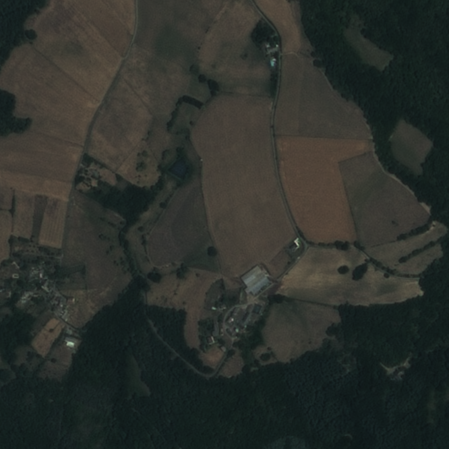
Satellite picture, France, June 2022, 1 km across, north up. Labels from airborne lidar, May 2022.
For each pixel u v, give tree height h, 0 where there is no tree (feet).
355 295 0
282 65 0
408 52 69
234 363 0
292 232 0
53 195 0
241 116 0
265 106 0
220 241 0
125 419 64
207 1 0
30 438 54
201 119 0
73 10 0
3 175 0
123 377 59
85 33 0
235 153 0
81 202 0
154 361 35
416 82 41
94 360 53
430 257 0
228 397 37
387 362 27
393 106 45
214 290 0
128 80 0
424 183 39
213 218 0
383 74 43
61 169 0
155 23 0
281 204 0
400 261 33
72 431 36
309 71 0
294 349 0
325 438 77
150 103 0
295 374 71
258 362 36
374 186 0
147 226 0
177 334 41
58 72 0
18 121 24
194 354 56
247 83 0
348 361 25
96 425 22
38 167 0
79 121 0
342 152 0
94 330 46
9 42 54
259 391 26
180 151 32
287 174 0
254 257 0
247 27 0
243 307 0
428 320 23
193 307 0
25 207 0
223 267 0
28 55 0
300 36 0
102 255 0
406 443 90
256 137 0
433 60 49
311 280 0
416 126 41
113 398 63
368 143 0
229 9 0
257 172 0
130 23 0
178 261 0
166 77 0
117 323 70
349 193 0
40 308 0
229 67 0
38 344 0
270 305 34
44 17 0
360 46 0
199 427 41
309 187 0
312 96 0
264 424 43
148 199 63
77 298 0
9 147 0
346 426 67
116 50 0
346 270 54
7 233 0
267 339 0
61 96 0
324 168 0
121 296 50
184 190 0
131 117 0
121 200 23
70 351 0
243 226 0
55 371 0
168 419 46
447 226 24
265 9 0
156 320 41
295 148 0
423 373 72
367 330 46
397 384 42
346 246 45
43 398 34
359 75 70
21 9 33
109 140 0
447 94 43
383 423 71
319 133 0
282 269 0
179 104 42
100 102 0
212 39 0
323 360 49
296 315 0
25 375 30
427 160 24
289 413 47
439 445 83
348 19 23
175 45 0
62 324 0
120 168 0
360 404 68
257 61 0
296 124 0
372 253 0
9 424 38
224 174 0
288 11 0
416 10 71
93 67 0
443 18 55
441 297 51
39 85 0
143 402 54
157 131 0
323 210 0
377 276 0
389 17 53
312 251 0
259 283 0
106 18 0
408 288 0
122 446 92
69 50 0
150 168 0
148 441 56
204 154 0
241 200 0
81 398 54
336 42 44
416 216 0
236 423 34
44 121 0
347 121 0
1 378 72
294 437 40
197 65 0
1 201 0
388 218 0
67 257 0
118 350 57
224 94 0
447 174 40
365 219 0
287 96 0
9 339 33
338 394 56
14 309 36
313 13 51
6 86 0
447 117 33
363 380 64
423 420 33
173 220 0
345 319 51
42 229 0
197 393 51
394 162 50
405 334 45
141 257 0
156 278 56
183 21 0
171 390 46
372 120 45
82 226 0
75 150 0
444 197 40
